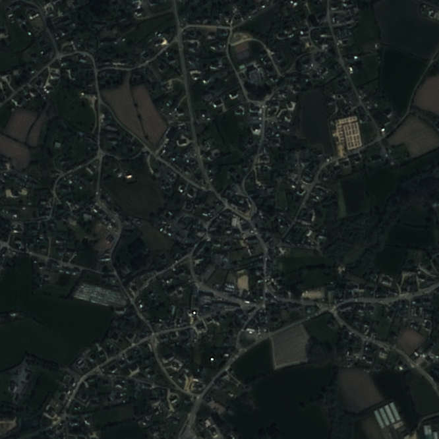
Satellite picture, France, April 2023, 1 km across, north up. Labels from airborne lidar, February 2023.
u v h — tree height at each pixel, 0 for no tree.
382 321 0
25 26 7
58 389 0
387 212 8
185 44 0
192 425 0
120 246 0
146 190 0
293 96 0
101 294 0
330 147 0
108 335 7
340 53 0
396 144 0
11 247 0
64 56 0
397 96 0
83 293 0
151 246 0
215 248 0
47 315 0
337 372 6
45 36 0
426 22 0
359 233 6
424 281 0
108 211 0
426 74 0
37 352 0
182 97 0
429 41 0
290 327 0
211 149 0
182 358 0
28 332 0
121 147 14
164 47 0
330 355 29
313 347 25
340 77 6
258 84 0
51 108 9
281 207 0
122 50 0
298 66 10
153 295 0
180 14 0
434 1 6
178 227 0
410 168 0
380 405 0
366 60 0
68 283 0
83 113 0
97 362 0
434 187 19
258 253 0
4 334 0
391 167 6
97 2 17
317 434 0
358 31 0
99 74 10
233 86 0
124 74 6
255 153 5
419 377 0
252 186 0
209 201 0
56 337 0
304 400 0
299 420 0
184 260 0
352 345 12
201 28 0
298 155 0
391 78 0
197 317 0
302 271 11
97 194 0
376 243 7
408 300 0
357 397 0
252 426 0
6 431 0
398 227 0
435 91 0
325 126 0
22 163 0
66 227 8
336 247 9
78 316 0
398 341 0
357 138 0
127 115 0
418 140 0
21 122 0
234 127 0
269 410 0
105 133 14
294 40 0
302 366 8
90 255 0
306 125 0
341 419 11
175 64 0
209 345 0
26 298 0
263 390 0
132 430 0
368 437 0
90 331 0
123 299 0
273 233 7
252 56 0
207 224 0
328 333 0
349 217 0
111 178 8
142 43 0
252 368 0
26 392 6
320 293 0
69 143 13
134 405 7
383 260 0
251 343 0
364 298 0
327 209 11
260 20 0
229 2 10
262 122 0
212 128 0
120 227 0
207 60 0
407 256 5
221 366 7
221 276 0
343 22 0
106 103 0
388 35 0
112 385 0
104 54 0
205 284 8
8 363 0
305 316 0
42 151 11
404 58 0
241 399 10
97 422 0
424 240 0
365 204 0
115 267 15
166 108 0
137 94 0
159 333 0
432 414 0
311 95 0
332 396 13
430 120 0
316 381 0
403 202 9
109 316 0
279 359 0
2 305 0
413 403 7
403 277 0
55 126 16
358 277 0
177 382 0
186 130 0
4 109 0
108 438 0
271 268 0
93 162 0
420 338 0
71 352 0
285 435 0
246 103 0
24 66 5
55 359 0
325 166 0
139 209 0
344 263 12
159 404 0
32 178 8
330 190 0
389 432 0
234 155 0
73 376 0
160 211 9
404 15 0
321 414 0
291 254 0
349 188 0
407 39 0
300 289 5
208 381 0
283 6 11
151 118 0
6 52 6
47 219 0
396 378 0
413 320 0
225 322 0
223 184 0
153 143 0
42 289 9
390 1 0
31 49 0
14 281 0
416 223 0
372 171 9
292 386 0
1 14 0
